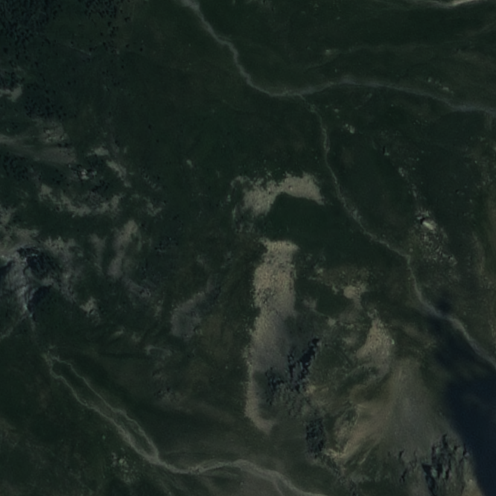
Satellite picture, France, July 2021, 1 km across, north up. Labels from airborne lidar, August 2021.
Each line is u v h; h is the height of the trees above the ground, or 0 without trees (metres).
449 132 0
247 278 0
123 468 0
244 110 0
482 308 0
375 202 0
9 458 0
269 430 0
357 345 0
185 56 0
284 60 0
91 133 0
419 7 0
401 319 0
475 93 0
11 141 0
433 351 0
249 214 0
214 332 0
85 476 0
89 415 0
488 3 0
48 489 0
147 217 0
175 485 0
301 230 0
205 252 0
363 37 0
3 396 0
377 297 0
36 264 11
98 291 0
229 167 0
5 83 9
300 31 0
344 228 0
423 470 0
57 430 0
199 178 0
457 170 0
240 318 0
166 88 0
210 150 0
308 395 0
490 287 0
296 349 0
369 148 0
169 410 0
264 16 0
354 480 0
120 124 0
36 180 0
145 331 0
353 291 0
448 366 0
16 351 0
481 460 0
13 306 0
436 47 0
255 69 0
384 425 0
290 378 0
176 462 0
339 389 0
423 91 0
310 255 0
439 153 0
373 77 0
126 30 0
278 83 0
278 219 0
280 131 0
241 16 0
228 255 0
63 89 0
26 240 0
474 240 0
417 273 0
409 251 0
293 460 0
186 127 0
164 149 0
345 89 0
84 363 0
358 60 0
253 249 0
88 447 0
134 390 0
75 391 0
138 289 0
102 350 0
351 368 0
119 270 0
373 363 0
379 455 0
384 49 0
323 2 0
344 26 0
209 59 0
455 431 0
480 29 0
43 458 0
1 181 0
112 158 0
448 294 0
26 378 0
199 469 0
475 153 0
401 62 0
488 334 0
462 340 0
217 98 0
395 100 0
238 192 0
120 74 0
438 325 0
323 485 0
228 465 0
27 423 0
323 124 0
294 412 0
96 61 0
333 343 0
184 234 0
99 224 0
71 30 0
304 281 0
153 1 0
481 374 0
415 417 0
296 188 0
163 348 0
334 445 0
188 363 0
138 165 0
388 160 0
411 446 0
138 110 0
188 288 0
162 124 0
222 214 0
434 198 0
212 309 0
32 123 0
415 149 0
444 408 0
